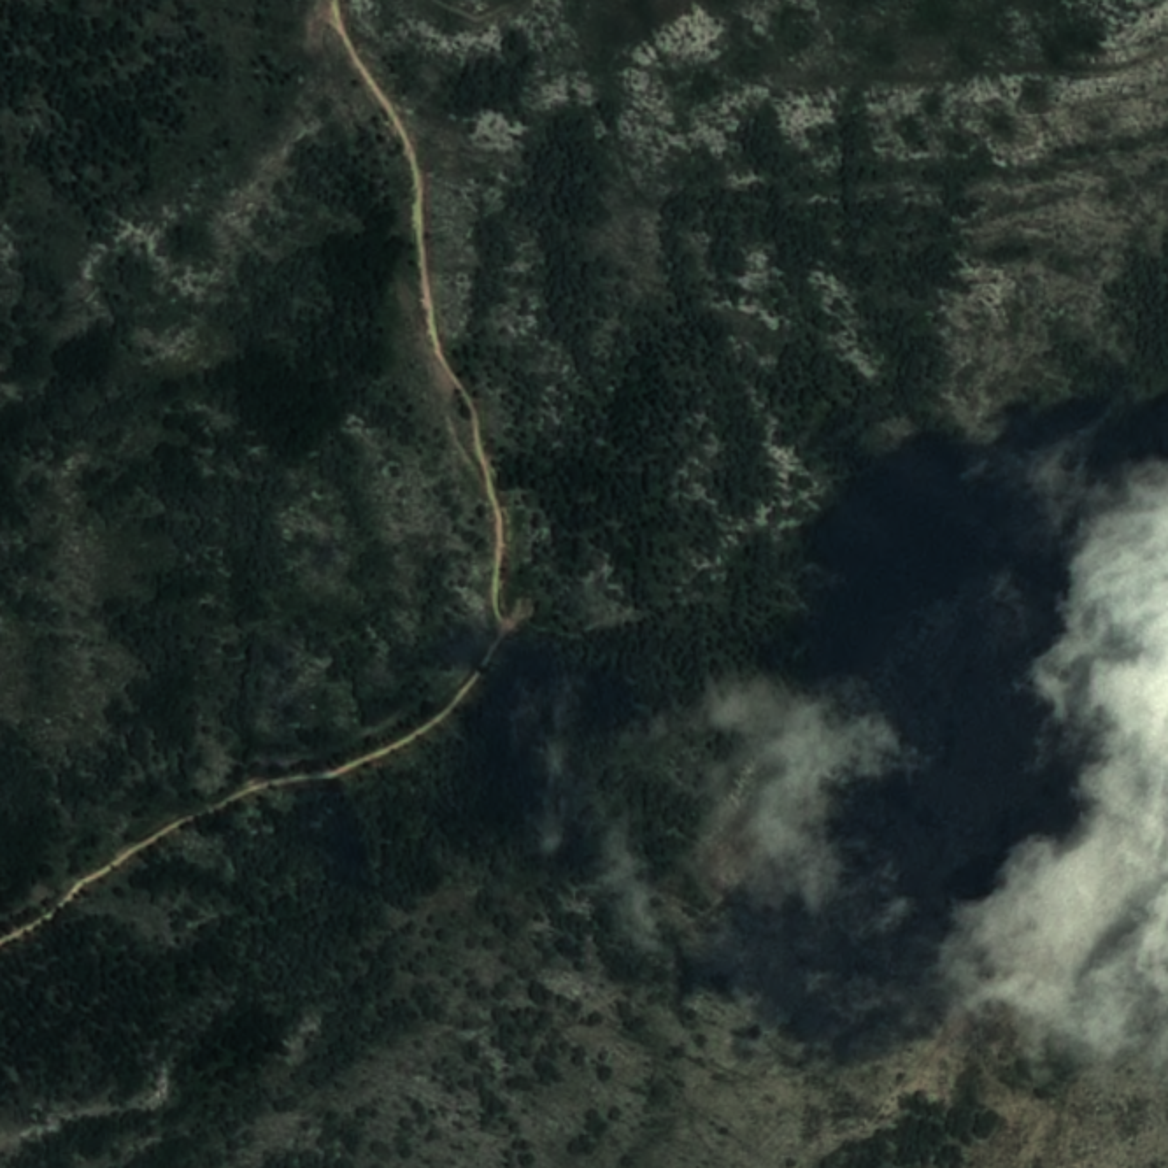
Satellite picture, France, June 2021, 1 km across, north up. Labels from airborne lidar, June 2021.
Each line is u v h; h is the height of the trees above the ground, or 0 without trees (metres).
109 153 11
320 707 0
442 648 0
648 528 14
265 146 0
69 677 0
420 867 10
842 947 0
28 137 12
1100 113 0
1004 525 0
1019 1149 0
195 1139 7
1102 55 0
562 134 9
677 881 0
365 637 10
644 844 11
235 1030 10
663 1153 0
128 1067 6
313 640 10
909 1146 8
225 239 0
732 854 0
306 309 8
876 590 9
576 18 0
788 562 6
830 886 0
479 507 9
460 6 0
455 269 0
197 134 0
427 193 0
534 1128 0
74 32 11
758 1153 0
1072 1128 0
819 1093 0
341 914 7
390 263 10
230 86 0
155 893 9
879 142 0
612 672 11
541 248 8
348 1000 8
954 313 0
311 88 0
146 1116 7
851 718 0
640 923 9
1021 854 0
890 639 0
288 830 7
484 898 6
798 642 9
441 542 0
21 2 7
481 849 10
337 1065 10
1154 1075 0
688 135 0
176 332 0
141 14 11
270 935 11
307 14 0
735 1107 0
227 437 9
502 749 11
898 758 0
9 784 13
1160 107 0
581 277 8
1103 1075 0
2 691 0
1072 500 10
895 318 6
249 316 9
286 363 11
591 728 11
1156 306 10
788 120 0
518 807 10
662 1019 0
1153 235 0
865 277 6
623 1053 0
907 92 0
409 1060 0
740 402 7
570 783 7
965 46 0
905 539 8
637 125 0
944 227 7
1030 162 0
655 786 8
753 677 11
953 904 10
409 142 0
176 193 0
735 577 8
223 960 12
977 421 0
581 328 10
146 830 0
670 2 0
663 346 12
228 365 14
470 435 0
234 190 0
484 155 0
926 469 0
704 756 9
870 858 0
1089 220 0
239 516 9
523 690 10
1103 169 0
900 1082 0
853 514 0
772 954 0
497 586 0
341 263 15
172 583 11
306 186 8
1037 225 0
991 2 0
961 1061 0
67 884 0
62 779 9
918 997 0
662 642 8
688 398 6
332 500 0
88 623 0
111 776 12
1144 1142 0
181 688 13
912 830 0
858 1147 8
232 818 7
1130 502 6
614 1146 0
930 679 0
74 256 0
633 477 11
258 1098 8
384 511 0
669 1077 0
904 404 7
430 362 0
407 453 0
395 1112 0
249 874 9
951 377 0
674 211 8
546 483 15
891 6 0
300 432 16
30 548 8
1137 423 8
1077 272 0
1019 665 0
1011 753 0
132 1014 14
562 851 8
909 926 0
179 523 11
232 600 8
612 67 0
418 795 8
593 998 0
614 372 6
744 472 12
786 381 13
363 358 13
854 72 0
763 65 0
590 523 12
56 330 0
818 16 0
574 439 14
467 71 9
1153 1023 0
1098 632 12
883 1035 0
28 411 12
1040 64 0
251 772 13
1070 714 0
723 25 0
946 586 6
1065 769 0
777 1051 0
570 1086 0
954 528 10
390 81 0
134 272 11
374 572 7
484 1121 6
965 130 0
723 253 9
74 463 0
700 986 0
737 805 0
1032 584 7
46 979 13
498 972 0
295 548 7
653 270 0
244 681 13
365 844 9
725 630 12
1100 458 7
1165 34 0
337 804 6
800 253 7
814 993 0
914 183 0
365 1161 0
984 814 0
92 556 0
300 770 10
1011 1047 0
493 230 8
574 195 11
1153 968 0
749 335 0
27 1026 12
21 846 16
